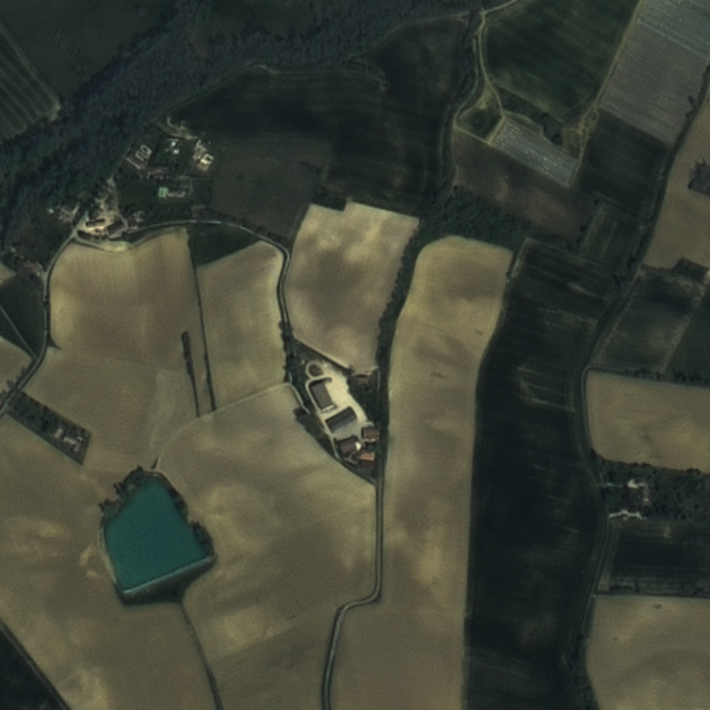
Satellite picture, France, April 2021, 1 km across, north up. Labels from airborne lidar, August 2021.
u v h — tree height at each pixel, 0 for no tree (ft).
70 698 0
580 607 0
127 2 0
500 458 0
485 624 0
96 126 82
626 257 0
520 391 0
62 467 0
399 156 0
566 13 0
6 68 0
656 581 0
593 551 0
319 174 20
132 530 0
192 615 0
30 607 0
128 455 0
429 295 0
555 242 35
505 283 0
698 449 0
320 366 0
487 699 0
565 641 0
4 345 0
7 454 0
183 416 0
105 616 0
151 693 0
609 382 0
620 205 0
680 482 21
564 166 0
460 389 0
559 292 0
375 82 0
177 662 0
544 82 0
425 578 0
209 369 0
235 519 0
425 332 0
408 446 0
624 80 0
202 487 0
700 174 44
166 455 0
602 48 0
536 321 0
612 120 0
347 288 0
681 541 0
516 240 49
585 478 0
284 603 0
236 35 0
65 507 0
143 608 0
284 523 0
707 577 0
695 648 0
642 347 0
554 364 0
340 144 0
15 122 0
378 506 0
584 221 0
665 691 0
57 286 0
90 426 0
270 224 0
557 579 0
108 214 0
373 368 0
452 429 0
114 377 0
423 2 35
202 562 0
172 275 0
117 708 0
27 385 0
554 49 0
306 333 0
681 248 0
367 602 0
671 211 0
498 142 0
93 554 0
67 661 0
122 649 0
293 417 0
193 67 73
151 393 0
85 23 0
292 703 0
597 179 0
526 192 0
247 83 0
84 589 0
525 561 0
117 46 0
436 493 0
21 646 0
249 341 0
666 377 37
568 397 0
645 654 0
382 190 0
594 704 47
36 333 0
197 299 0
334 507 0
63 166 37
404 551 0
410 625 0
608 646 0
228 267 0
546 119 37
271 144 0
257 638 0
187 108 0
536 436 0
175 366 0
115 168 35
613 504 45
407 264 49
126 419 0
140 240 0
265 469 0
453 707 0
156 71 62
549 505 0
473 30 26
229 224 45
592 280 0
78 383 0
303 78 0
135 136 40
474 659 0
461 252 0
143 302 0
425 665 0
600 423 0
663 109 0
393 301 21
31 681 0
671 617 0
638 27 0
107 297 0
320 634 0
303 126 0
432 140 0
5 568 0
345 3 84
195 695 0
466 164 0
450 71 0
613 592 30
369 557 0
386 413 25
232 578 0
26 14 0
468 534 0
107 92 92
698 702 0
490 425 0
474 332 0
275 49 45
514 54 0
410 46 0
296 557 0
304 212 0
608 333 0
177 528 0
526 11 0
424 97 0
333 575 0
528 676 0
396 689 0
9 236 54
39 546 0
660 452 0
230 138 0
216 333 0
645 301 0
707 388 48
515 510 0
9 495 0
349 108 0
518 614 0
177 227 0
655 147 0
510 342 0
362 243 0
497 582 0
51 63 0
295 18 0
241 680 0
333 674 0
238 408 0
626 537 0
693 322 0
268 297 0
